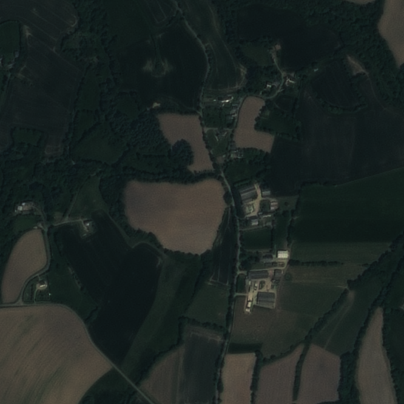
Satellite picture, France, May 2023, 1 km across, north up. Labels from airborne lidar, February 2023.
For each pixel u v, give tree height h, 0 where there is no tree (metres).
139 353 0
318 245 0
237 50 27
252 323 0
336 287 0
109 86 20
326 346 0
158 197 0
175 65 0
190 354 0
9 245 10
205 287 0
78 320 0
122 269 0
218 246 0
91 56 18
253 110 0
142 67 0
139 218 0
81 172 20
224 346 11
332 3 20
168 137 0
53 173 15
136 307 0
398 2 0
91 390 0
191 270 0
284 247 0
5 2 0
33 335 0
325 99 0
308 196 0
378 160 0
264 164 10
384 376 0
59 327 0
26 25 0
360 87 0
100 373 0
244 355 0
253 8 0
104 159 0
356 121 0
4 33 0
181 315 0
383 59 12
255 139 0
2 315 0
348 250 0
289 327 0
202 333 0
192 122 0
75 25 0
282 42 0
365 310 0
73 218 0
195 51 0
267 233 0
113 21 0
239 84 0
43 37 0
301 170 0
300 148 0
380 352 0
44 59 0
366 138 0
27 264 0
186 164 24
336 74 0
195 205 0
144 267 0
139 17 0
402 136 0
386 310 18
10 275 0
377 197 0
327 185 13
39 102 0
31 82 0
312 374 0
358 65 0
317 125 0
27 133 9
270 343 0
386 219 0
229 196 15
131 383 0
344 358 16
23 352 0
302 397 0
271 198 0
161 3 0
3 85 14
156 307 0
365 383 0
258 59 0
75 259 0
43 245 0
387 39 0
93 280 0
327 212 0
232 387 0
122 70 0
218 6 12
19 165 18
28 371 0
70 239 0
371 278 9
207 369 0
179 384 0
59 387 0
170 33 0
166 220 0
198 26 0
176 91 0
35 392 0
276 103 0
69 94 0
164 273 0
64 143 16
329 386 0
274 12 0
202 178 14
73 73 0
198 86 0
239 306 0
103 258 0
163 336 0
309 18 16
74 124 13
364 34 16
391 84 15
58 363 0
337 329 0
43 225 0
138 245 0
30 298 10
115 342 0
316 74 0
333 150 0
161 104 0
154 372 0
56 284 0
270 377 0
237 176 0
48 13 0
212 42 0
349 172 0
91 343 0
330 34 0
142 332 0
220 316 0
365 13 11
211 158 11
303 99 0
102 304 0
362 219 0
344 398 17
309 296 0
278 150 0
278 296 0
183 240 0
